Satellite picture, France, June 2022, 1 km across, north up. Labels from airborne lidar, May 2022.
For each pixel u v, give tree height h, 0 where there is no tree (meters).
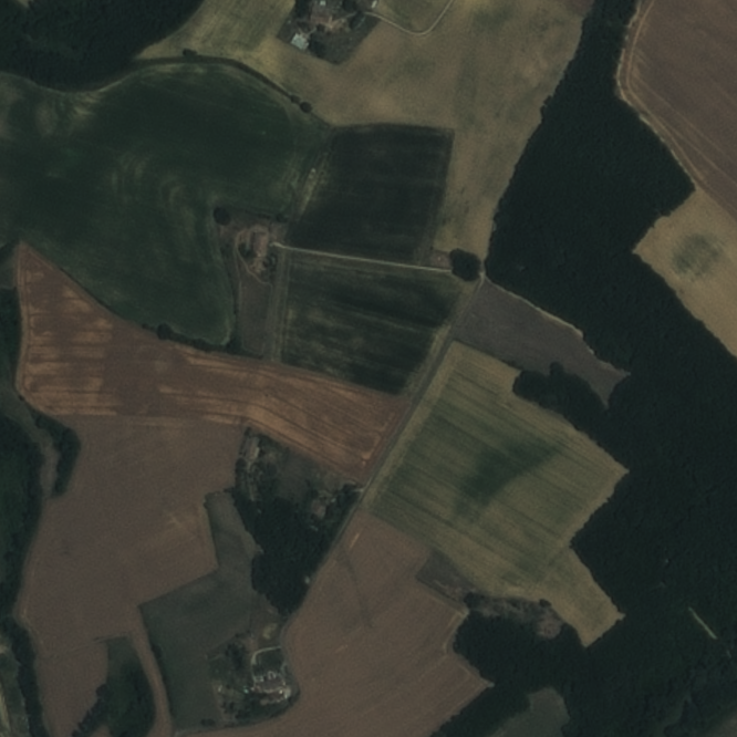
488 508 0
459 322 0
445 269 0
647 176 17
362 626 0
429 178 0
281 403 0
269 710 12
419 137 0
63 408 0
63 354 0
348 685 0
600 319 19
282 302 0
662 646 14
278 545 16
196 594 0
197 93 0
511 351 0
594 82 19
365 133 0
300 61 0
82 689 0
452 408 0
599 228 8
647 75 0
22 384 0
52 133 0
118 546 0
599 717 18
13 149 0
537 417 0
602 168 13
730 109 0
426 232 0
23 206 0
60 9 14
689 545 20
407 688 0
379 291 0
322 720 0
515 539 0
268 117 0
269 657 0
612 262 18
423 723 0
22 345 0
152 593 0
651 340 22
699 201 0
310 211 0
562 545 0
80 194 0
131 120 0
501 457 0
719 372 24
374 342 0
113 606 0
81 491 0
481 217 0
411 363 0
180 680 0
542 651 25
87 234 0
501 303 0
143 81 0
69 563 0
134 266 0
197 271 0
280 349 0
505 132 0
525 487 0
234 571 0
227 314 0
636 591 15
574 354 0
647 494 15
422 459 0
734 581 20
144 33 12
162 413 0
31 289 0
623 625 15
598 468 0
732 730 0
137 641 0
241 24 0
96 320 0
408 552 0
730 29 0
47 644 0
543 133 13
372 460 0
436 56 0
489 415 0
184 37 0
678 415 20
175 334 8
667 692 7
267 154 0
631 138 17
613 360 13
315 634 0
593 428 15
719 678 22
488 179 0
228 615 0
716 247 0
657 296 16
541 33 0
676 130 0
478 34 0
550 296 14
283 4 0
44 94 0
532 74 0
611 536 16
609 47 17
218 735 0
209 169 0
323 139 0
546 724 0
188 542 0
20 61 12
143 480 0
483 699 11
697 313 0
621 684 10
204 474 0
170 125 0
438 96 0
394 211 0
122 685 0
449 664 0
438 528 0
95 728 27
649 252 0
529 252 18
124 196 0
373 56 0
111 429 0
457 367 0
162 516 0
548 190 9
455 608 0
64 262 0
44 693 0
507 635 29
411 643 0
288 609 14
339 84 0
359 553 0
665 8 0
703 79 0
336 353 0
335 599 0
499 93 0
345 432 0
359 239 0
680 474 8
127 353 0
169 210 0
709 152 0
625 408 24
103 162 0
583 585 0
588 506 0
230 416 0
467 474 0
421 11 0
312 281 0
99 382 0
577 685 17
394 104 0
